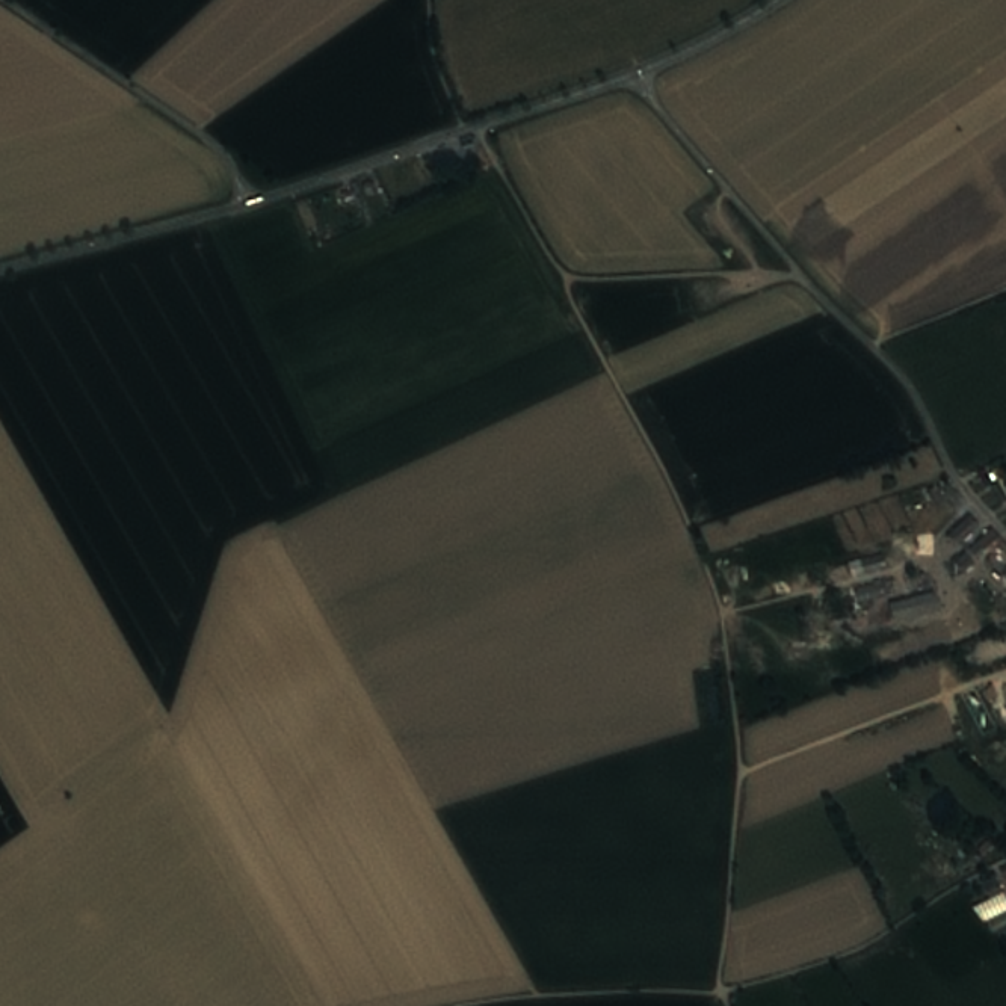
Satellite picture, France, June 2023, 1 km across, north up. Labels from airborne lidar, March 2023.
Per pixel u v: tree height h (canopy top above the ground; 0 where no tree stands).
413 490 0
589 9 0
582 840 0
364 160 0
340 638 0
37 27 0
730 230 0
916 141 0
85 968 0
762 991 0
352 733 0
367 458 0
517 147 0
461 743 0
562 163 0
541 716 0
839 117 0
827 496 0
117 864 0
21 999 0
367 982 0
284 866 0
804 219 0
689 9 0
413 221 0
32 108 0
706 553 13
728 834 0
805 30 0
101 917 0
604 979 0
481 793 0
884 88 0
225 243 0
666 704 0
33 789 0
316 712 0
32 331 0
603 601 0
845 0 0
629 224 0
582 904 0
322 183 0
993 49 0
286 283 0
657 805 0
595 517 0
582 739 0
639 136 0
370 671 0
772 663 0
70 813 0
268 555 0
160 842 0
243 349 0
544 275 0
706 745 0
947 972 0
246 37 0
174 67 0
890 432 0
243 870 0
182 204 0
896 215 0
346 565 0
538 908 0
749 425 0
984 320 0
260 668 0
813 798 0
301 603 0
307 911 0
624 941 0
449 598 0
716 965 0
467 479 0
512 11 0
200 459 0
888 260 0
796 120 0
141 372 0
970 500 0
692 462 0
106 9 0
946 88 0
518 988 0
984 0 0
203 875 0
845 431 0
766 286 0
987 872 10
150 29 0
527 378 0
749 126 0
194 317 0
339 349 0
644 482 0
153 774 0
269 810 0
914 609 0
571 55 0
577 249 0
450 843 0
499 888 0
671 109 0
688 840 0
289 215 0
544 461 0
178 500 0
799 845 0
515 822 0
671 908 0
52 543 0
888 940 0
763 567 0
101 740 0
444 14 0
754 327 0
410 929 0
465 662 0
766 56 0
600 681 0
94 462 0
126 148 0
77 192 0
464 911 0
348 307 0
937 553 0
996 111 0
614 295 0
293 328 0
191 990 0
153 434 0
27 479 0
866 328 0
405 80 0
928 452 0
